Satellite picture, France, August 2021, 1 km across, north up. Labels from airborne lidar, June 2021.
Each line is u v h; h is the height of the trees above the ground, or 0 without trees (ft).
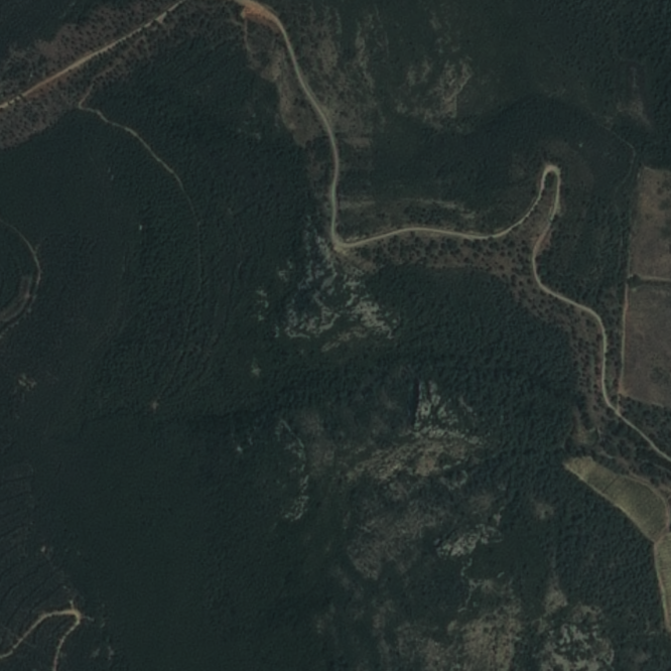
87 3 24
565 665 0
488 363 56
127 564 19
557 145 0
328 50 0
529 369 55
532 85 0
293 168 33
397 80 0
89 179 17
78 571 26
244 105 19
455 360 40
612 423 28
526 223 20
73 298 21
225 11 21
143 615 21
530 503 22
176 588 25
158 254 33
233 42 22
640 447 32
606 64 31
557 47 0
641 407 38
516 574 23
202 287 22
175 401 32
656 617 42
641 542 33
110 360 30
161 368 34
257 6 0
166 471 28
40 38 19
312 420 0
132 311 26
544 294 38
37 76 37
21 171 19
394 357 30
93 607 24
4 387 21
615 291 0
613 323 38
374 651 0
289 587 21
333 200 0
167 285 28
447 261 19
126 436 28
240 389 28
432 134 28
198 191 20
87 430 19
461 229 33
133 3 35
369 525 0
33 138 30
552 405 44
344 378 35
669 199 0
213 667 23
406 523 0
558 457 46
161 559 26
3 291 22
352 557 0
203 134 35
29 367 20
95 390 29
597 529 30
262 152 27
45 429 19
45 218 19
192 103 31
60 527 30
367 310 0
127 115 24
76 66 0
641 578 37
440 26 0
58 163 21
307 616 20
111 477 29
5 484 20
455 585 25
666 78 34
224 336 32
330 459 0
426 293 24
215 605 22
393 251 22
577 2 25
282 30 0
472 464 30
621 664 27
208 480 23
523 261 39
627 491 0
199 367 30
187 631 20
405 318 26
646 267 0
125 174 28
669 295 0
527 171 21
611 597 27
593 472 0
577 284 21
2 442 21
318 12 0
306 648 19
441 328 41
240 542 20
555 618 29
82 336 18
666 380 0
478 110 0
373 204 0
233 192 19
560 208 0
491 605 18
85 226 17
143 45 31
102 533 18
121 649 29
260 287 23
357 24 0
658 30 38
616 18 31
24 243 18
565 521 47
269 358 19
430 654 0
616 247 19
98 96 26
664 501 0
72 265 24
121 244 23
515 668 17
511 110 22
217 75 18
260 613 30
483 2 0
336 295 0
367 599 0
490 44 0
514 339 29
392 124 0
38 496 17
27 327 21
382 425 0
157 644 22
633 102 0
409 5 0
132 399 28
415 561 0
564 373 34
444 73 0
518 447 64
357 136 0
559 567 25
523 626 0
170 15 30
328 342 0
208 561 19
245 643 21
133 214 18
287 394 33
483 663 0
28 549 18
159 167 26
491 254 34
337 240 0
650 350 0
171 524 31
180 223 28
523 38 0
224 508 17
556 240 18
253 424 29
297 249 36
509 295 33
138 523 26
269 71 0
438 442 0
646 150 27
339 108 0
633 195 0
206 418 36
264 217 23
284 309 19
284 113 0
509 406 52
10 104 21
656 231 0
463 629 0
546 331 33
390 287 25
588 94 0
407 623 0
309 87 0
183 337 33
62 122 23
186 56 18
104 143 29
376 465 0
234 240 20
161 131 19
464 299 17
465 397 23
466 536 0
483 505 0
